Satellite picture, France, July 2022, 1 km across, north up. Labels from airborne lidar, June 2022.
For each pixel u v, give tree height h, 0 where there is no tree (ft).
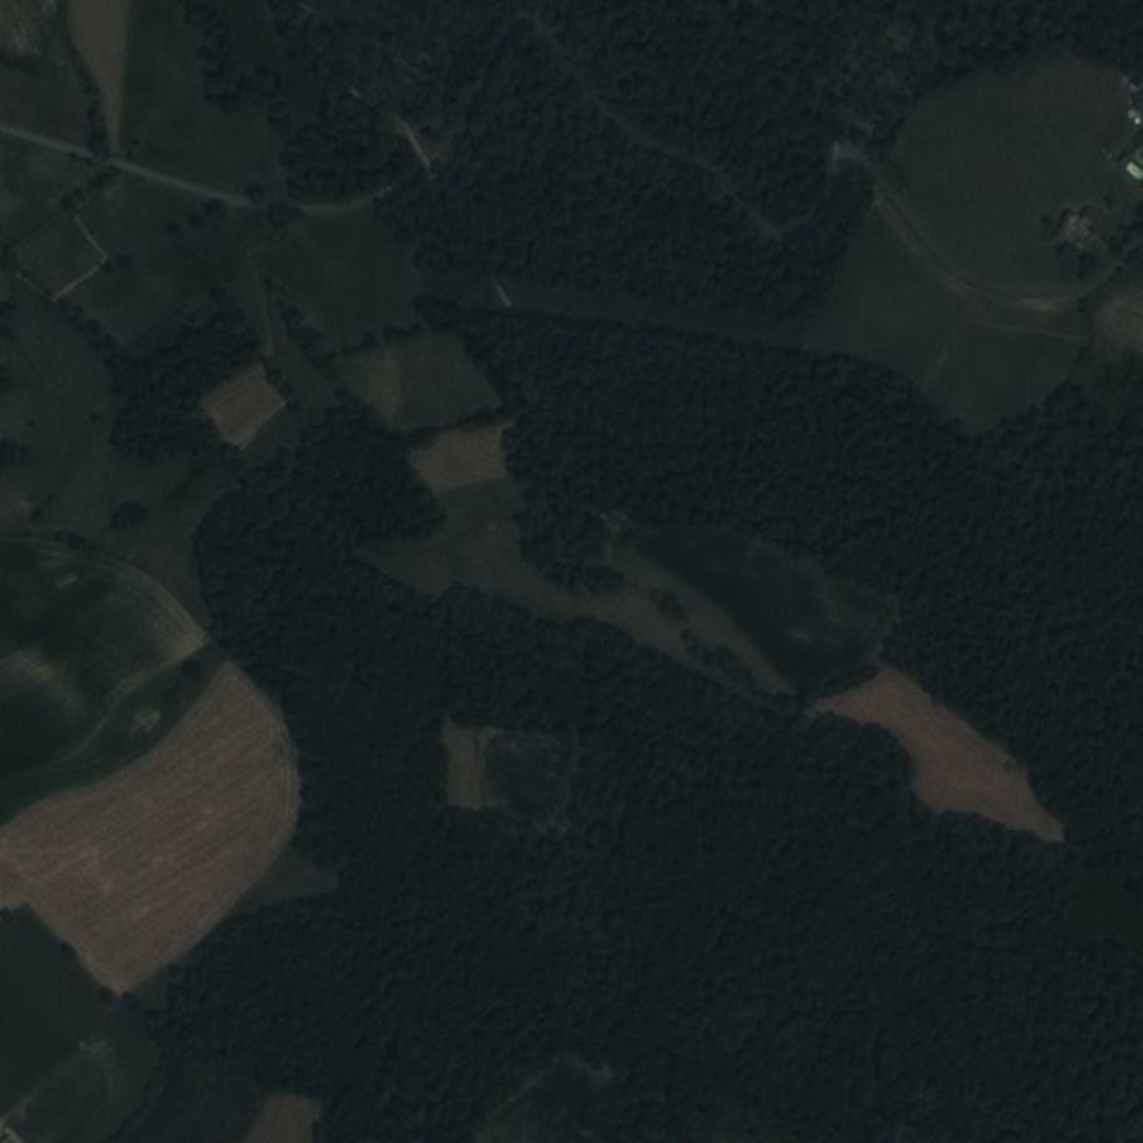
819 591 0
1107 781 71
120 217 0
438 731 55
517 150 88
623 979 93
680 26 89
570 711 0
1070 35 87
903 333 0
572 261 93
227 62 66
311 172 78
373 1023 117
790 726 80
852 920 74
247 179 0
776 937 47
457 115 63
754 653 0
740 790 91
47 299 23
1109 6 80
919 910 79
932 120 0
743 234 87
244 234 0
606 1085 0
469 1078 84
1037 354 0
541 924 73
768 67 85
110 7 0
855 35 81
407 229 79
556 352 77
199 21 52
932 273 0
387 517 78
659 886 87
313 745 75
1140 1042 94
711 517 53
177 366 65
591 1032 90
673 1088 80
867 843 70
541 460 39
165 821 0
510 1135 0
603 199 94
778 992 78
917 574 39
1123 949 70
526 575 0
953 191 0
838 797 68
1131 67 67
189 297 0
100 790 0
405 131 0
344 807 89
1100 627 65
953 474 47
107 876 0
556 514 64
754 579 0
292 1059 91
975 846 68
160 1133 0
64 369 0
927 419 38
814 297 74
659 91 77
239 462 53
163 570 0
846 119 83
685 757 77
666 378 86
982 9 94
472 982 74
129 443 32
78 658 0
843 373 59
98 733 0
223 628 63
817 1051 56
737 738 76
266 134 0
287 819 0
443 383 0
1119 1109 96
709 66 83
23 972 0
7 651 0
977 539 65
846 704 0
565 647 86
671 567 0
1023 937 84
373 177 59
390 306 0
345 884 63
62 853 0
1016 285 0
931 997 98
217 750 0
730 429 58
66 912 0
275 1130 0
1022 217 0
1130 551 48
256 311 0
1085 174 0
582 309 0
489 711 36
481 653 57
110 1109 0
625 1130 96
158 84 0
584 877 72
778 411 52
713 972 37
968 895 87
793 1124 96
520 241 79
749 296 81
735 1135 0
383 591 87
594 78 66
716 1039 90
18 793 0
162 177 0
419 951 88
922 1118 100
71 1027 0
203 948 30
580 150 93
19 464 44
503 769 0
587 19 79
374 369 0
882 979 89
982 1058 94
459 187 88
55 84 0
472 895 93
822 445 59
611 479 84
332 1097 85
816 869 83
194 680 71
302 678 87
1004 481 64
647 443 73
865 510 62
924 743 0
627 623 0
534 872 72
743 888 41
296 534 69
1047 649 66
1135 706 83
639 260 85
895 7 75
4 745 0
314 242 0
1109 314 0
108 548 0
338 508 93
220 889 0
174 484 0
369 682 91
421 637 85
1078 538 58
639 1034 89
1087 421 38
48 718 0
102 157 55
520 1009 50
